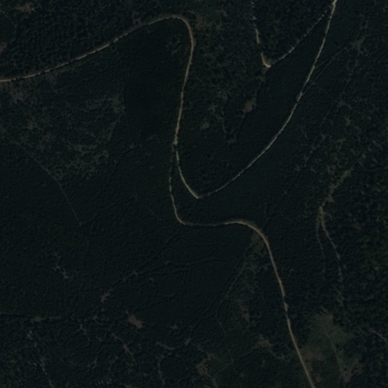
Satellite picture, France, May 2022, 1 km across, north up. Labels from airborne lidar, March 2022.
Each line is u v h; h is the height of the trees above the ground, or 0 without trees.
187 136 9
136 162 7
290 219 7
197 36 13
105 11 9
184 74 8
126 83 9
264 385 6
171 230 13
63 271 15
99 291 12
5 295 17
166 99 10
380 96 11
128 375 21
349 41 8
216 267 8
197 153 14
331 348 0
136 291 10
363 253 23
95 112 8
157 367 27
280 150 6
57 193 10
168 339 16
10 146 11
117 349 12
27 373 35
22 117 8
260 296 10
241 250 10
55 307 18
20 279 17
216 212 9
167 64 10
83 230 13
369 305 32
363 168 14
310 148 8
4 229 16
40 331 9
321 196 11
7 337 9
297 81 8
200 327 10
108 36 10
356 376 10
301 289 10
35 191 9
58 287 16
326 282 10
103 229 10
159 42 11
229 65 34
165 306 12
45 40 31
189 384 24
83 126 7
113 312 14
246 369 7
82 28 9
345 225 17
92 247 12
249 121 10
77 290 13
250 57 34
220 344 6
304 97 6
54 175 10
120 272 11
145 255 17
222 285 9
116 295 10
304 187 11
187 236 15
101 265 9
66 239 11
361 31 9
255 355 8
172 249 16
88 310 10
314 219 11
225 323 8
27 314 17
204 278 11
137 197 10
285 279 16
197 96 9
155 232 15
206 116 10
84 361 11
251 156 12
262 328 9
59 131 7
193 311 12
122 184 13
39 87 8
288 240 10
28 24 24
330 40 7
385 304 29
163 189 10
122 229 12
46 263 13
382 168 26
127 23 10
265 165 7
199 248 13
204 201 9
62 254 10
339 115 11
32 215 11
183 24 8
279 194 10
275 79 7
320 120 7
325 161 7
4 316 17
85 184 8
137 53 8
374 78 8
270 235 14
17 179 10
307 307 37
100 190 8
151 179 8
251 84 8
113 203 16
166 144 10
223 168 16
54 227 11
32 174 9
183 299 11
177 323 11
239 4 31
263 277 11
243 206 9
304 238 12
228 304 6
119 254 17
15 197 10
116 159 8
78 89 7
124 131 7
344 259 23
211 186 16
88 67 8
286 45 32
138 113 8
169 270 13
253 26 31
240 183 6
